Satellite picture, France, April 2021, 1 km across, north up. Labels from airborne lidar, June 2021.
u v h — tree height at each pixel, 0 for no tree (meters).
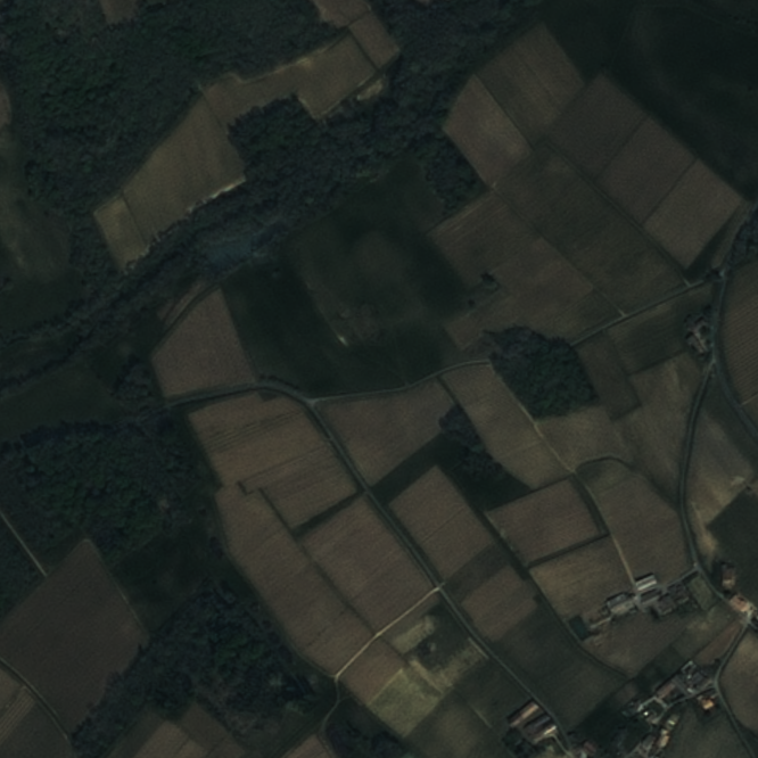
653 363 0
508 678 0
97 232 19
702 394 0
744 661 0
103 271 15
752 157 0
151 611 0
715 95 0
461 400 0
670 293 0
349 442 0
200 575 0
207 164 0
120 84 16
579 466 0
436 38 25
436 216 0
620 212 0
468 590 0
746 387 0
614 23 0
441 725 0
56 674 0
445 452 0
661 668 0
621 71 0
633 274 0
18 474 11
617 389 0
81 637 0
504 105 0
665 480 0
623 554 0
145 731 0
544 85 0
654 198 0
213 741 0
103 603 0
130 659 0
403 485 0
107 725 18
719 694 0
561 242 0
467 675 0
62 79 13
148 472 24
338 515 0
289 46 11
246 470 0
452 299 0
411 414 0
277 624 0
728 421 0
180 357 0
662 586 0
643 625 0
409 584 0
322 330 0
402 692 0
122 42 15
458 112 0
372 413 0
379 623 0
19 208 0
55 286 0
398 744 16
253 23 18
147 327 0
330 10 0
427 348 0
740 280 0
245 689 9
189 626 15
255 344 0
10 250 0
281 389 0
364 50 0
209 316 0
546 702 0
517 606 0
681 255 0
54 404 0
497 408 0
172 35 25
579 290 0
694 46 0
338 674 0
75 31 17
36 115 20
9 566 10
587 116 0
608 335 0
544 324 0
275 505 0
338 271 0
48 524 11
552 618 0
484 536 0
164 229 0
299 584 0
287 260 0
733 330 0
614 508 0
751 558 0
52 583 0
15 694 0
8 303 0
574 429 0
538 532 0
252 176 16
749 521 0
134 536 25
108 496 21
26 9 24
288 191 25
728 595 8
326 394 0
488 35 21
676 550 0
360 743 11
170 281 17
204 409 0
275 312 0
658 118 0
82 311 20
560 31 0
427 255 0
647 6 0
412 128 12
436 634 0
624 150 0
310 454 0
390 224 0
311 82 0
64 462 28
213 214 19
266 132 25
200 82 27
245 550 0
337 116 0
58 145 26
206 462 0
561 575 0
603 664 0
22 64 22
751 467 0
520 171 0
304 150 25
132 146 23
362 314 0
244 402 0
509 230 0
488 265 0
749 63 0
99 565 0
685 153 0
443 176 19
